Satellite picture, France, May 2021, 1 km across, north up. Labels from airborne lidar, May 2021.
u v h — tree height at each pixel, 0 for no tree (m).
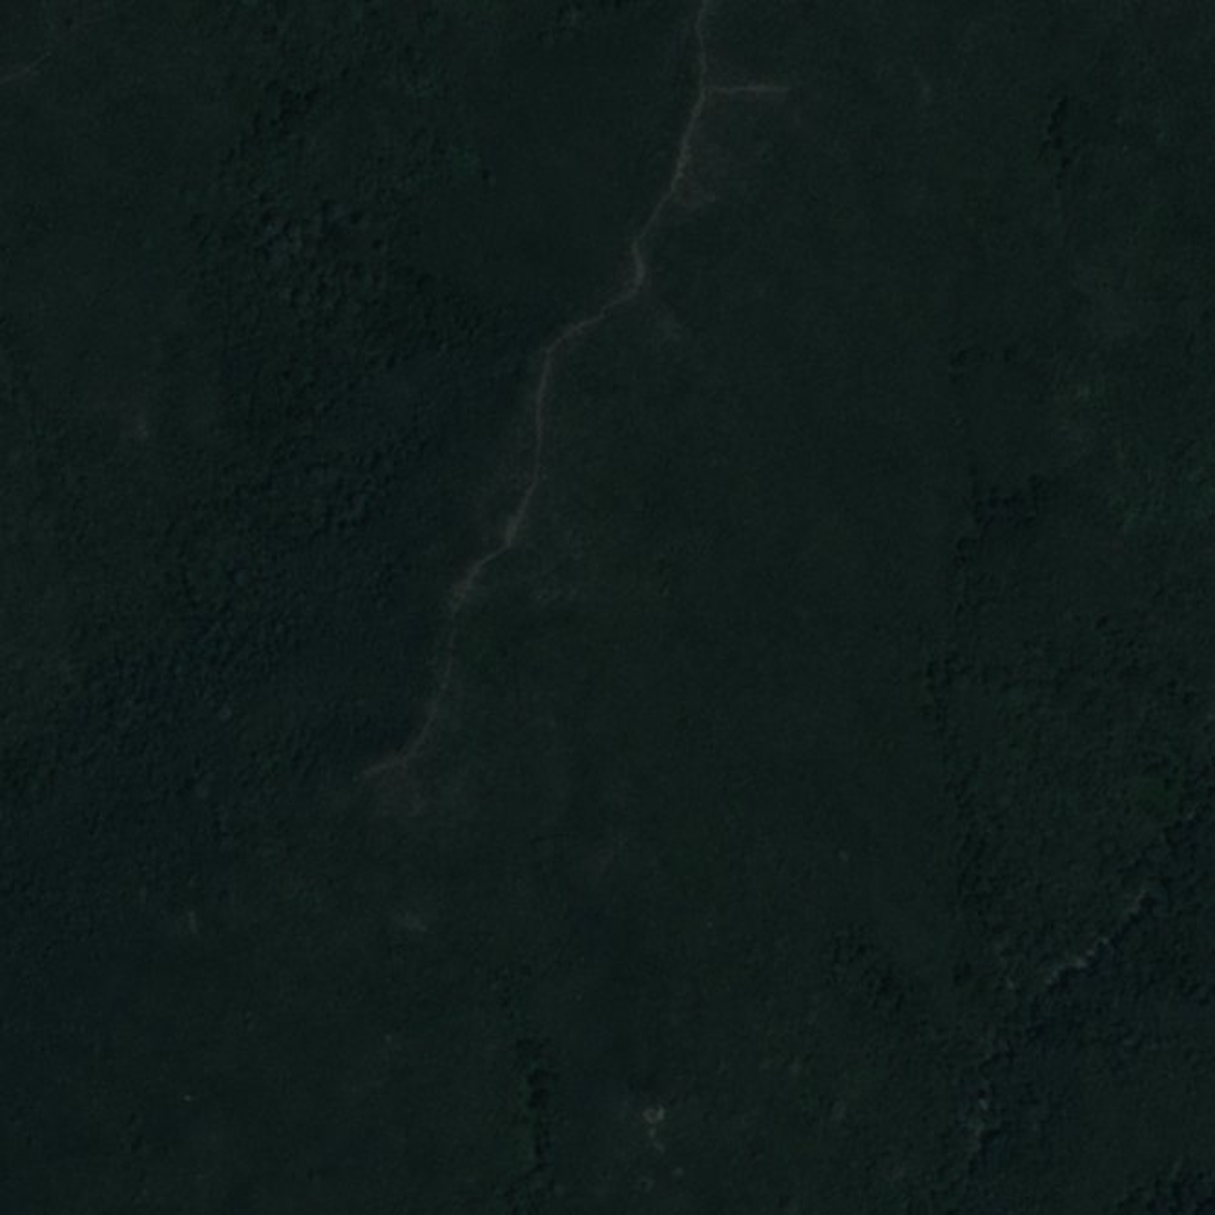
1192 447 11
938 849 9
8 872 11
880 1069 8
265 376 15
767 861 6
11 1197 6
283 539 11
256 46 7
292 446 14
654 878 6
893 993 25
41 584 9
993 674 12
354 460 9
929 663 7
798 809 5
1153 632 6
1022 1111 21
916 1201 11
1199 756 8
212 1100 6
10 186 5
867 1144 9
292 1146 7
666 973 6
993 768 9
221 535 8
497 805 7
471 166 6
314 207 7
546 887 8
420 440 10
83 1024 7
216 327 8
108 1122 6
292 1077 6
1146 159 6
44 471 16
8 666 8
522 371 6
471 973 6
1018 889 10
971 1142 19
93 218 6
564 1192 6
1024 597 7
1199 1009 6
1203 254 7
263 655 7
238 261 17
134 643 13
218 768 12
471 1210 5
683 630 7
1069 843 7
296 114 20
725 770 6
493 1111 6
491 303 8
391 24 6
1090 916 10
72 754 15
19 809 10
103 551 11
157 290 6
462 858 6
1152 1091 8
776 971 7
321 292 17
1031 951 11
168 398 6
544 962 6
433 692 6
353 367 9
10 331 13
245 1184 7
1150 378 6
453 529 6
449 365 6
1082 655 10
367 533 9
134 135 6
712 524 7
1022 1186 6
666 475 5
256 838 7
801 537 6
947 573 7
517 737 6
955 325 6
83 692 16
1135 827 18
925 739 6
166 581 18
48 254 6
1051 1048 15
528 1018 8
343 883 7
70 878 10
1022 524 10
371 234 6
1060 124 19
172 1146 7
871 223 8
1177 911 9
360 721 7
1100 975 13
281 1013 7
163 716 17
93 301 6
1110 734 7
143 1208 7
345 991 8
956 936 6
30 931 6
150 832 8
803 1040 7
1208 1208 20
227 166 12
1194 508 7
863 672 6
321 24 6
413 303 9
